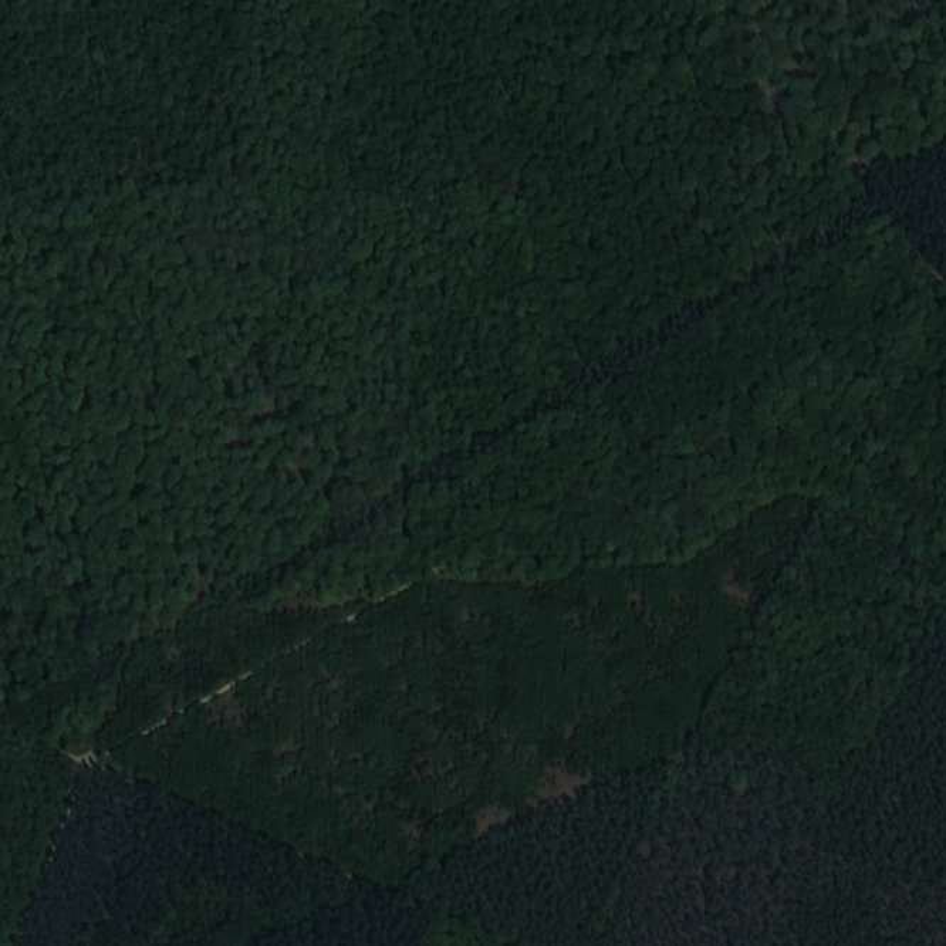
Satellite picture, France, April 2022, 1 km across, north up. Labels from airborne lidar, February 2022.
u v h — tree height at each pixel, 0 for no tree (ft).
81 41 59
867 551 90
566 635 34
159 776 36
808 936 72
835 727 75
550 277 81
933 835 80
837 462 101
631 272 79
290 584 103
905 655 73
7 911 56
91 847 78
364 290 99
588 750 29
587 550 104
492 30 83
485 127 89
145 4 41
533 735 38
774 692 75
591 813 79
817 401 105
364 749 29
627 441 95
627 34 96
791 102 94
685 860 85
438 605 28
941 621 76
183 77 44
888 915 60
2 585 100
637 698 30
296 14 90
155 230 90
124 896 87
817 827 68
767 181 107
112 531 110
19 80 61
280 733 36
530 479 88
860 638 74
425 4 51
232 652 23
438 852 42
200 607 29
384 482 100
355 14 74
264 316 91
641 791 81
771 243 87
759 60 107
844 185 88
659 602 31
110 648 98
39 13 72
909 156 89
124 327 99
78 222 107
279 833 45
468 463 57
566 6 79
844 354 97
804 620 91
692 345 88
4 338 99
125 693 25
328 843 40
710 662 32
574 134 73
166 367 113
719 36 107
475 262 89
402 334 92
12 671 89
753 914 89
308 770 27
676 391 100
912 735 80
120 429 104
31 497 98
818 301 92
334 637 34
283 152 93
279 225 92
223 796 29
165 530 110
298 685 28
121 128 45
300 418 86
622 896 52
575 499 106
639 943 65
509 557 94
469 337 81
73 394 97
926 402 86
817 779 72
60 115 43
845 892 50
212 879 100
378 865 43
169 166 74
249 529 89
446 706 24
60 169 83
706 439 89
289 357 94
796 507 31
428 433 87
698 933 73
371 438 68
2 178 77
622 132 84
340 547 74
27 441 99
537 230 86
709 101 101
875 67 106
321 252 83
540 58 84
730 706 76
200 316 105
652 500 98
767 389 91
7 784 77
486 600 35
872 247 88
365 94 69
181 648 32
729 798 78
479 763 36
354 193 70
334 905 72
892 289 78
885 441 84
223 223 81
